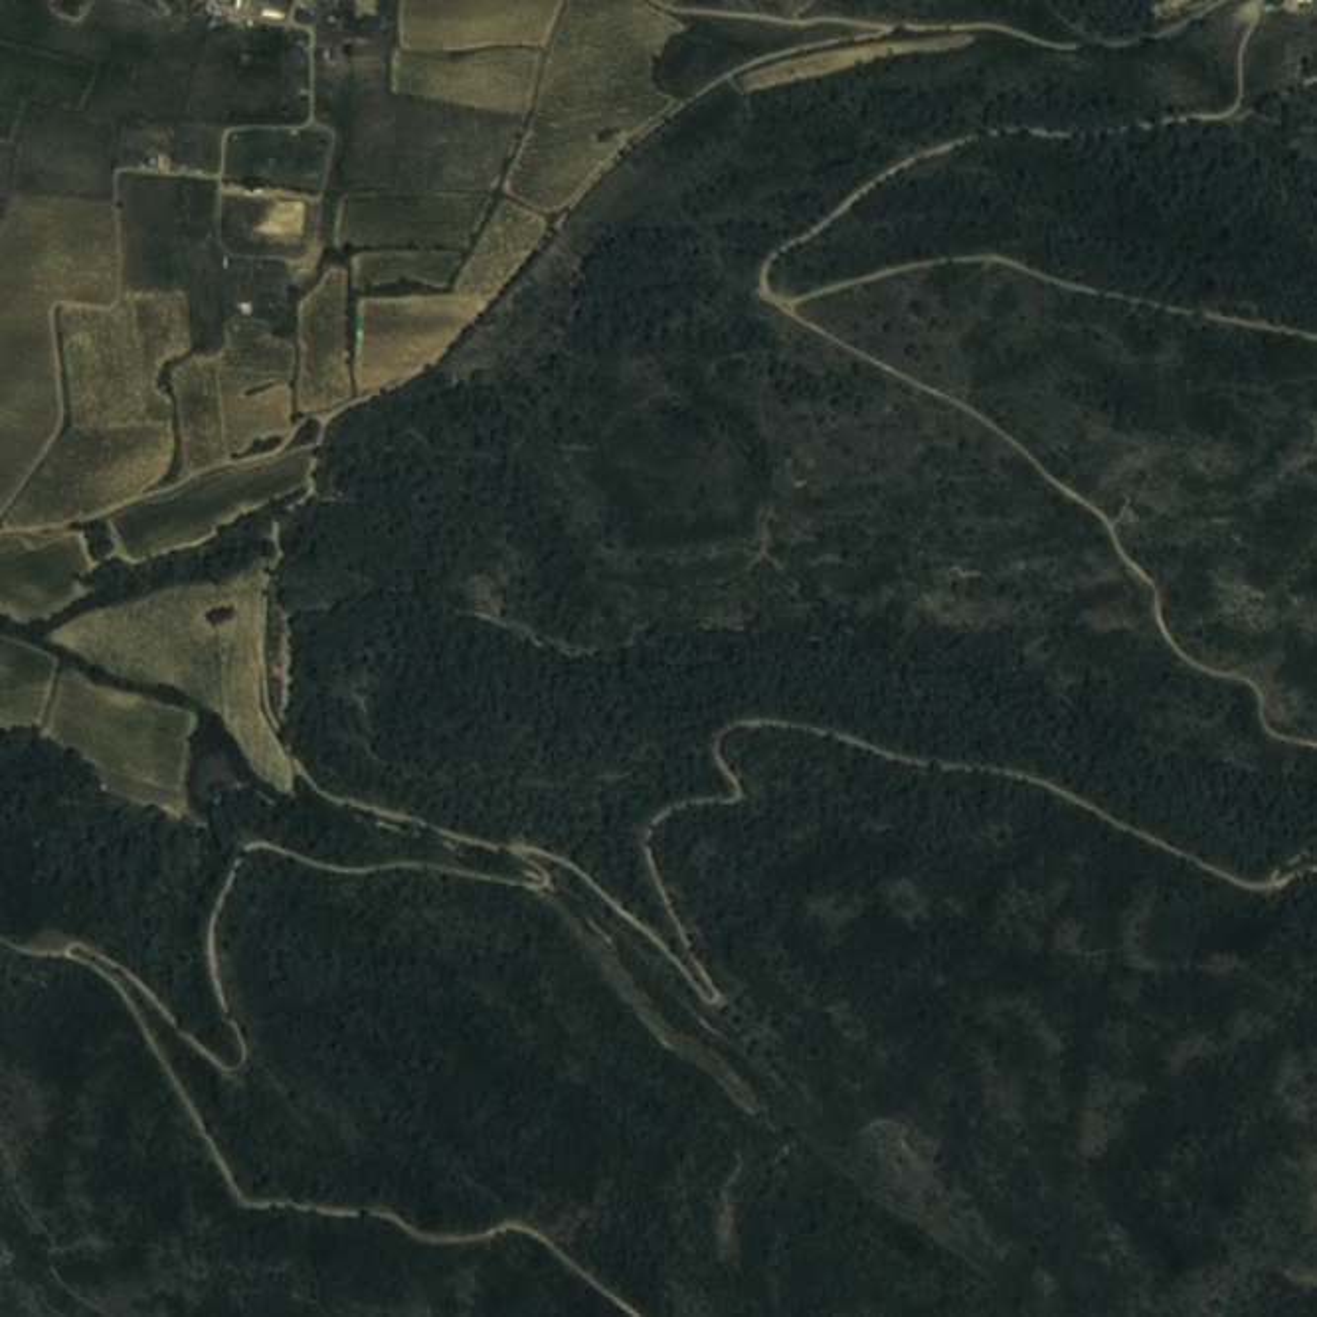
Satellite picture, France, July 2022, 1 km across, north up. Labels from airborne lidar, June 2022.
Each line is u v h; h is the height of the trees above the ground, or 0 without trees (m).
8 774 6
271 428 0
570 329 11
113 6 0
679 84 0
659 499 0
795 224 11
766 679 12
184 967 14
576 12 0
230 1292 7
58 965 9
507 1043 9
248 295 0
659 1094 12
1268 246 7
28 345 0
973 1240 0
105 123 0
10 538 0
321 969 14
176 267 0
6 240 0
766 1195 7
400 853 9
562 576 0
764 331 10
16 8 0
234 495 0
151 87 0
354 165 0
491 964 6
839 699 12
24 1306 0
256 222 0
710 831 8
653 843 8
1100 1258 0
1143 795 10
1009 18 7
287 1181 6
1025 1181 0
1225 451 0
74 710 0
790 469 0
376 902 8
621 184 0
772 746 9
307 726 9
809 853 7
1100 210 11
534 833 9
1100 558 0
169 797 0
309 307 0
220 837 13
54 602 0
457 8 0
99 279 0
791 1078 6
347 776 8
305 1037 7
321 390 0
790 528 0
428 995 11
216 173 0
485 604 0
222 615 5
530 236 0
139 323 0
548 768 7
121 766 0
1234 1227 11
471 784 8
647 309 12
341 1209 9
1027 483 0
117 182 0
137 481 0
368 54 0
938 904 5
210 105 0
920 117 6
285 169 0
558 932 6
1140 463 0
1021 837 7
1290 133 10
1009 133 9
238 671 0
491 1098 9
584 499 0
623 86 0
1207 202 12
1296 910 8
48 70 0
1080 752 7
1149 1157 6
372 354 0
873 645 6
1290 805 13
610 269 13
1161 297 9
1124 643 6
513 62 0
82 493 0
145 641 0
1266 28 0
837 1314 7
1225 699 8
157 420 0
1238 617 0
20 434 0
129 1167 6
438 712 10
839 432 0
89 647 0
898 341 0
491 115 0
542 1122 10
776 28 0
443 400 9
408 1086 7
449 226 0
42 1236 6
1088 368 0
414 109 0
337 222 0
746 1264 0
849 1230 7
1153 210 9
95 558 11
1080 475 0
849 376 6
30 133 0
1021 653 7
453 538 11
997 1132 0
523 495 12
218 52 0
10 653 0
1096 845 7
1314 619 0
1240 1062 9
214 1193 7
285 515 12
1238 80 0
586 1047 8
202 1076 6
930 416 0
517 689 10
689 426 9
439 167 0
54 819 7
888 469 0
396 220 0
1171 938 0
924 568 6
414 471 14
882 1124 0
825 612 9
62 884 13
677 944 10
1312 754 7
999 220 6
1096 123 18
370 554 16
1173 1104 8
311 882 9
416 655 11
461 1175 7
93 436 0
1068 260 10
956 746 12
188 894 10
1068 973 6
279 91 0
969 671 14
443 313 0
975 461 6
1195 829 10
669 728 10
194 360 0
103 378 0
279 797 11
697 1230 9
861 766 11
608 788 8
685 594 0
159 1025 7
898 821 6
